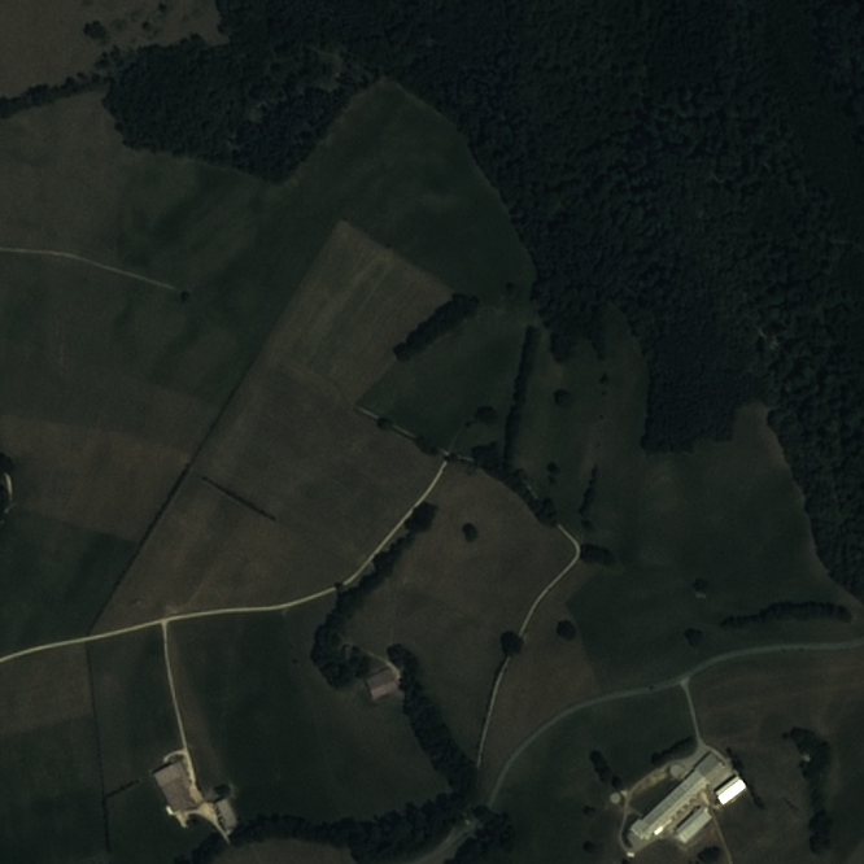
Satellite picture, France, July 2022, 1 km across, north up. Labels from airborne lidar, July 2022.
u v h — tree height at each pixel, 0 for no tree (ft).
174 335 0
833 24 113
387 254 0
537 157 90
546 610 0
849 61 106
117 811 0
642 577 0
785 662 0
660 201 96
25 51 0
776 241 42
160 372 0
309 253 0
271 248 0
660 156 126
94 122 0
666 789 0
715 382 53
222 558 0
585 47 73
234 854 0
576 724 0
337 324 0
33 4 0
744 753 0
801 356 121
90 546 0
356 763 0
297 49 24
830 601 0
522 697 0
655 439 52
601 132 55
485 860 67
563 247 84
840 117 34
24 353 0
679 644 0
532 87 108
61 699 0
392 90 0
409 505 0
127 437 0
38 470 0
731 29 67
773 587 0
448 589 0
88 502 0
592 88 98
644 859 0
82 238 0
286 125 67
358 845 84
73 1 0
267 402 0
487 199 0
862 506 82
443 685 0
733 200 115
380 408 0
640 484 0
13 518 0
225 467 0
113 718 0
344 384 0
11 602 0
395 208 0
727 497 0
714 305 51
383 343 0
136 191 0
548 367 0
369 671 38
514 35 85
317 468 0
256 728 0
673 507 0
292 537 0
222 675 0
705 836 0
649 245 115
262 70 59
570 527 0
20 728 0
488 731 0
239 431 0
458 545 0
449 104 63
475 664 0
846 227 27
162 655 0
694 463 0
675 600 0
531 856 0
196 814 0
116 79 48
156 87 55
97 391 0
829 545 76
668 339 56
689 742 26
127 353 0
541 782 0
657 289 96
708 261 52
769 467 0
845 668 0
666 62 44
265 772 0
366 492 0
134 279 0
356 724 0
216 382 0
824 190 34
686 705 0
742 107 103
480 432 0
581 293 95
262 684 0
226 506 0
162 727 0
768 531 0
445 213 0
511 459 38
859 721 0
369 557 0
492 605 0
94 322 0
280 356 0
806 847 0
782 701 0
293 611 0
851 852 0
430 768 0
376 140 0
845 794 0
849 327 48
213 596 0
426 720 76
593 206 109
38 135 0
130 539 0
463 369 0
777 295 129
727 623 22
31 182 0
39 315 0
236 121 26
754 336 75
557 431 0
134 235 0
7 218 0
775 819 0
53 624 0
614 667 0
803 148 19
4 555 0
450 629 0
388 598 0
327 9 58
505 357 0
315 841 45
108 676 0
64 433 0
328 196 0
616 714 0
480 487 0
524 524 0
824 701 0
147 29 37
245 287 0
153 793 0
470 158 0
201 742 0
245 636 0
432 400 0
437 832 68
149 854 0
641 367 0
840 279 23
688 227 35
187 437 0
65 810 0
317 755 0
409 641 0
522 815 0
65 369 0
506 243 0
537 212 98
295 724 0
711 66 48
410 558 0
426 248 0
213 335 0
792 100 25
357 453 0
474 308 51
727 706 0
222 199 0
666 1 44
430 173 0
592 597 0
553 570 0
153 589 0
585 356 0
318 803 0
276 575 0
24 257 0
